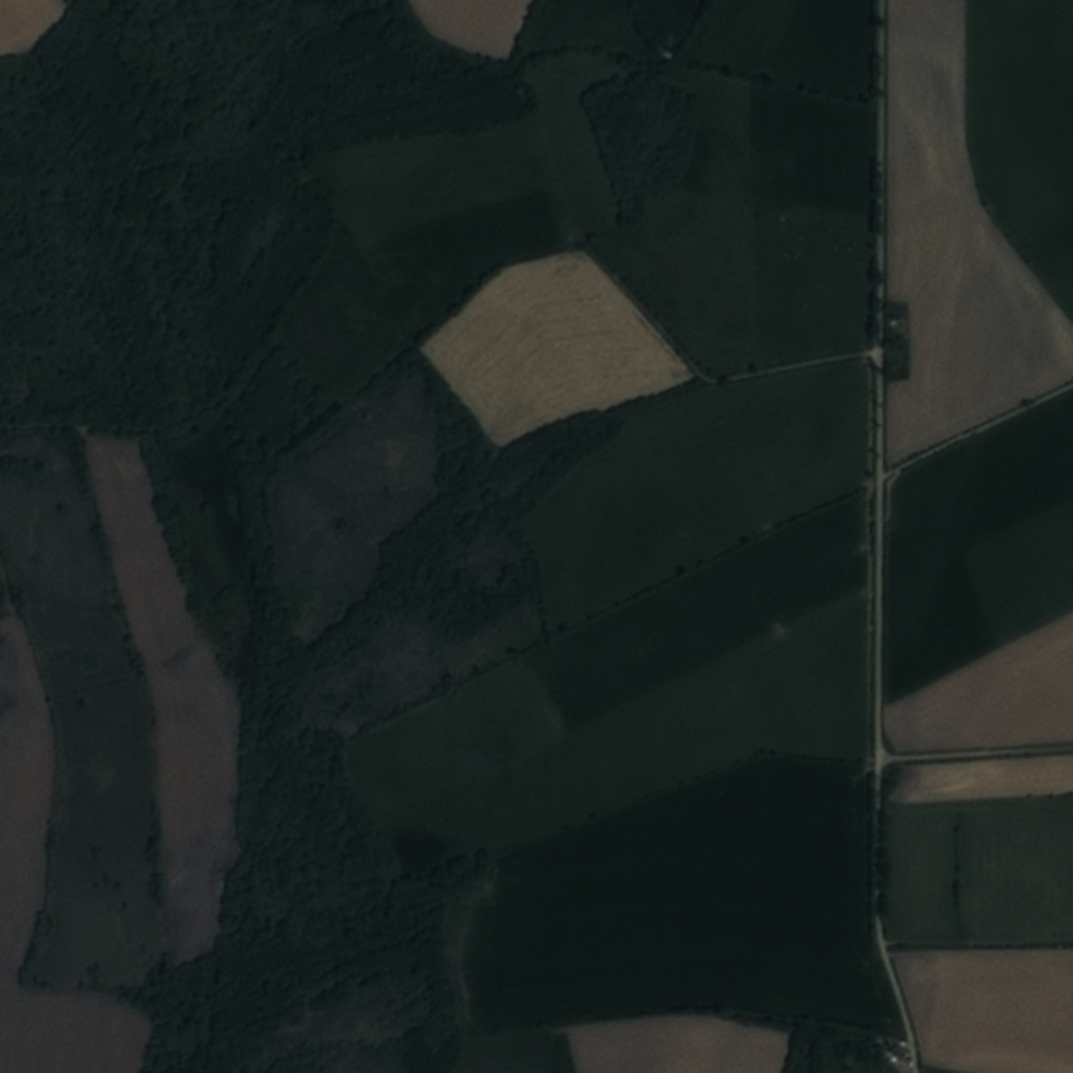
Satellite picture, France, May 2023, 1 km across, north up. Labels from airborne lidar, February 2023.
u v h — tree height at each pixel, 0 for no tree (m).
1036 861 0
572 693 0
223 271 15
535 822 0
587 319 0
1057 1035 0
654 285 0
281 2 8
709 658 0
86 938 0
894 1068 0
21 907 0
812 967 0
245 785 9
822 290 0
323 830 13
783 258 0
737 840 0
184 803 0
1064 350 0
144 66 10
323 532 0
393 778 0
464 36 0
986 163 0
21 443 0
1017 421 0
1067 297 0
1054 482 0
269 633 12
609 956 0
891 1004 0
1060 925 0
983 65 0
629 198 7
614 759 0
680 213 0
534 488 8
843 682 0
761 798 0
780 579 0
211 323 15
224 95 8
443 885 14
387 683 0
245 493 9
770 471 0
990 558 0
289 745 7
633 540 0
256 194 11
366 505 0
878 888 9
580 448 11
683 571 11
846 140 0
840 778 0
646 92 12
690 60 8
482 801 0
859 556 0
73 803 0
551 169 0
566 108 0
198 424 7
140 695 0
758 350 0
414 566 14
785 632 0
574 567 0
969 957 0
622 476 0
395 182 0
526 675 0
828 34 0
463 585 14
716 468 0
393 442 0
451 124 8
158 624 0
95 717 0
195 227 9
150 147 14
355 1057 0
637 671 0
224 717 0
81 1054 0
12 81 7
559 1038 0
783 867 0
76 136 8
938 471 0
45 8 0
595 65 0
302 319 0
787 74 0
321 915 12
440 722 0
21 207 6
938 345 0
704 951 0
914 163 0
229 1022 10
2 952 0
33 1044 0
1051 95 0
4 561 0
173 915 0
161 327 7
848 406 0
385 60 5
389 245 0
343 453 0
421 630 0
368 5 6
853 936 0
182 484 0
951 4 0
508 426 0
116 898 0
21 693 0
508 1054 0
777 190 0
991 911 0
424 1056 10
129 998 11
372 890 9
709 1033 0
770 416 0
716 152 0
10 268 8
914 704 0
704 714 0
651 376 0
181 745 0
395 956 10
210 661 0
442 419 10
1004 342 0
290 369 9
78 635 0
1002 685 0
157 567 0
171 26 12
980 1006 0
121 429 9
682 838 0
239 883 10
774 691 0
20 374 0
